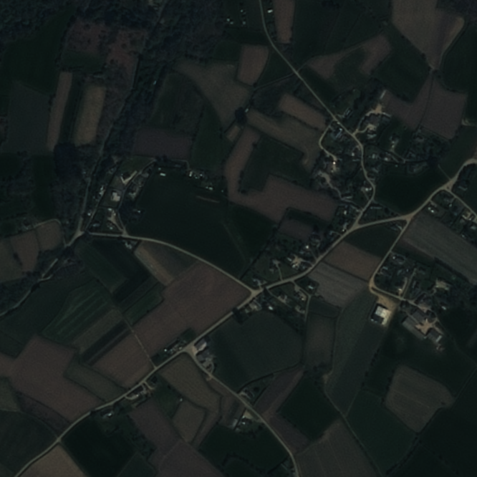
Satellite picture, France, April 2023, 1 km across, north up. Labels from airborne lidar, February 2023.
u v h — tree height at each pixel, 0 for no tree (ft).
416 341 0
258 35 0
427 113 0
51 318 0
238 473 0
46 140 0
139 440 32
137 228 0
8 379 0
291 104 0
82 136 0
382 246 0
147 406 0
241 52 0
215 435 0
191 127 0
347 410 0
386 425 0
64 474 0
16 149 0
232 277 0
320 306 0
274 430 0
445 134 0
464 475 0
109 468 0
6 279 0
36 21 29
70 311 0
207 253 0
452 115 0
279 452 0
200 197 0
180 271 0
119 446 0
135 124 47
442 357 0
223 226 0
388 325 0
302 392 0
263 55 0
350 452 0
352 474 0
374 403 0
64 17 0
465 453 0
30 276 42
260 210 0
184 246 0
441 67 0
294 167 0
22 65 0
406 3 0
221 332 0
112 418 0
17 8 24
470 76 0
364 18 0
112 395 0
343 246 0
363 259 0
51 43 0
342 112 0
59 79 0
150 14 32
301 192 0
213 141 0
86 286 0
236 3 0
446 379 0
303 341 0
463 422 0
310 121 0
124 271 0
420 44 0
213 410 0
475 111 0
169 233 0
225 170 0
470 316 26
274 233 36
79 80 0
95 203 0
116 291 0
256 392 30
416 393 0
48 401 0
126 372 0
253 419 0
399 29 0
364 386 22
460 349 0
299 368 0
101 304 0
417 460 0
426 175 0
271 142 0
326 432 0
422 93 0
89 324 0
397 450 0
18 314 0
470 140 0
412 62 0
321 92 0
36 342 0
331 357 18
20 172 20
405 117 0
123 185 0
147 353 0
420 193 0
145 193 0
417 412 0
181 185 0
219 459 0
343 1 0
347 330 0
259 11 0
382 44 0
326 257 0
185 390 0
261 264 0
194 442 0
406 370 0
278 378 0
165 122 0
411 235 0
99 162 29
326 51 0
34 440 0
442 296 44
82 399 0
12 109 0
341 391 0
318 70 0
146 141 0
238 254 0
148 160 0
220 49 0
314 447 0
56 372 0
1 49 51
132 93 27
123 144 44
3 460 0
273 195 0
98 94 0
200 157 0
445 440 0
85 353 0
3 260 0
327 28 0
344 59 0
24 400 0
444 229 0
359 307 0
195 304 0
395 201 0
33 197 0
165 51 46
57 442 0
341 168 35
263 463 0
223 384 0
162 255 0
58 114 0
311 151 0
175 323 0
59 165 76
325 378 0
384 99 0
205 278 0
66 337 0
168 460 0
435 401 0
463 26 0
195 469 0
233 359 0
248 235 0
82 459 0
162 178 0
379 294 0
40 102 0
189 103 0
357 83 0
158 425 0
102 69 26
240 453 0
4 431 0
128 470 0
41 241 0
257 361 0
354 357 0
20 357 0
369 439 0
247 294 0
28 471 0
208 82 0
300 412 0
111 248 0
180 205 0
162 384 0
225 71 0
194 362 0
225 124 0
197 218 0
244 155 0
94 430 0
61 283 0
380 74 0
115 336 0
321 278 0
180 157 0
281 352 0
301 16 0
